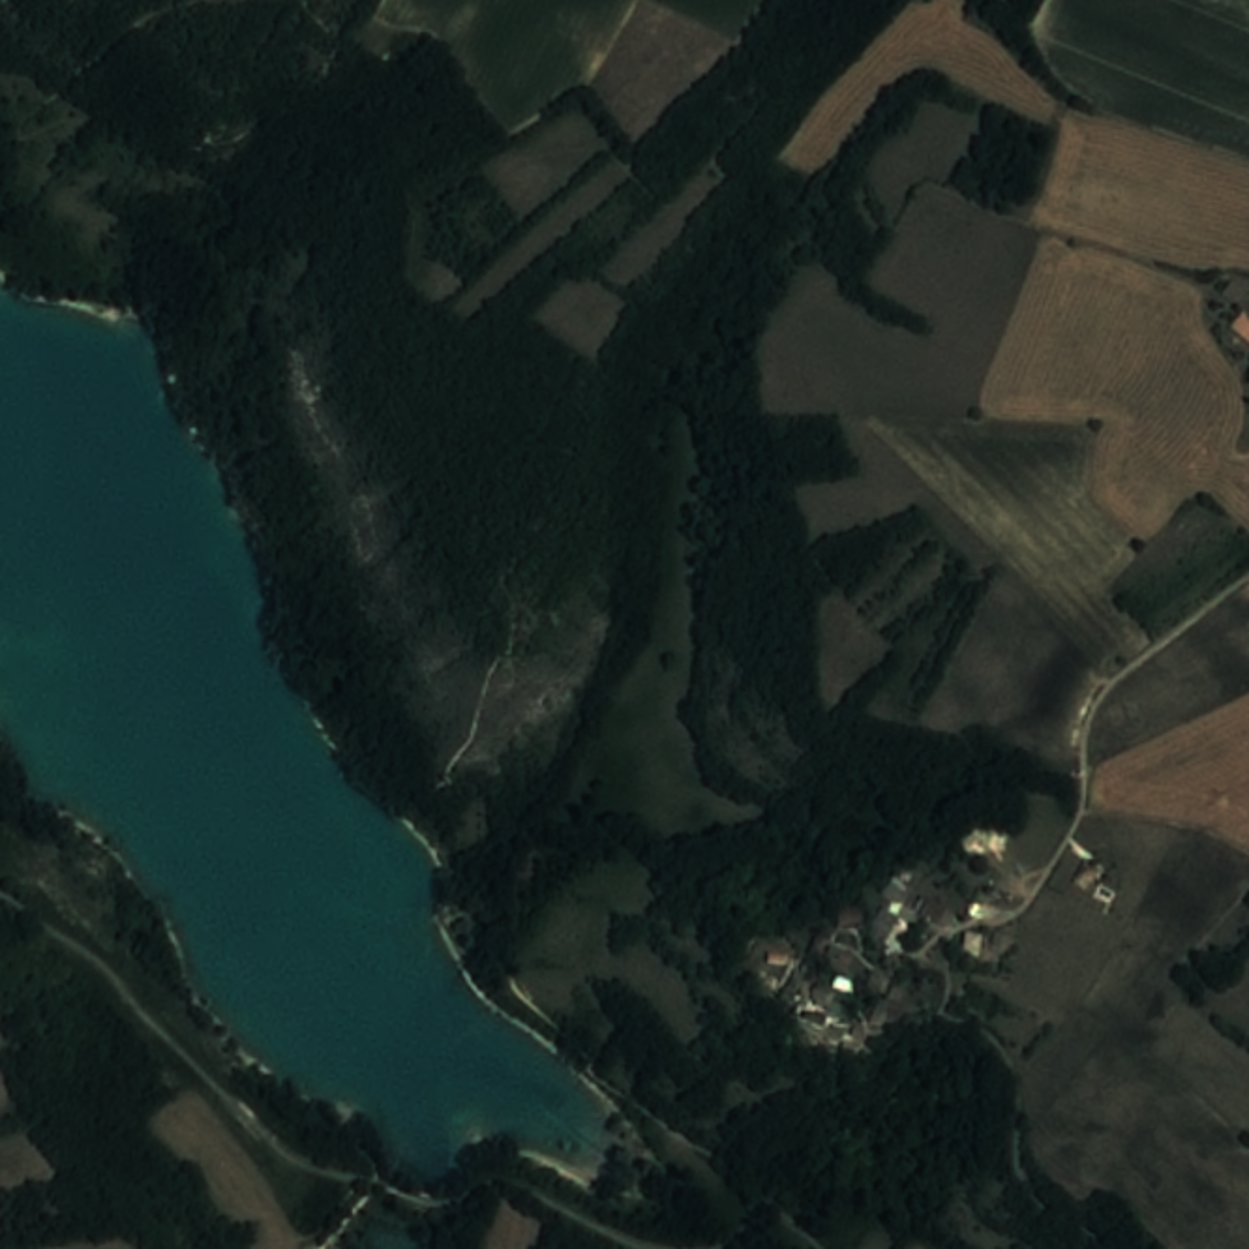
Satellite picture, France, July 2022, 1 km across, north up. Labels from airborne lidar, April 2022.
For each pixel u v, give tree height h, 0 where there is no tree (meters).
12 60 16
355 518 0
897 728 10
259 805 0
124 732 0
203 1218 14
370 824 0
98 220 0
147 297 32
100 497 0
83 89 18
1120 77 0
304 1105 8
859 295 14
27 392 0
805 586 15
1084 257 0
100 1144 22
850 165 11
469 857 16
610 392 15
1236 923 0
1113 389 0
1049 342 0
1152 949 0
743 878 16
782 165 9
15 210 13
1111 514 0
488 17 0
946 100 5
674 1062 12
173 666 0
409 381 11
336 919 0
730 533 22
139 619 0
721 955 16
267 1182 0
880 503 0
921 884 0
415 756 16
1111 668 0
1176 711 0
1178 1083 0
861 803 8
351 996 0
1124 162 0
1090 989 0
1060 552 0
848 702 12
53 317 0
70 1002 16
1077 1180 0
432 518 12
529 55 0
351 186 13
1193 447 0
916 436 0
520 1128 0
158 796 0
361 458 0
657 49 0
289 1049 0
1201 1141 0
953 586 6
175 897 0
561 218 0
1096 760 0
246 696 0
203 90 7
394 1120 0
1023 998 0
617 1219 13
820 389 0
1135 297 0
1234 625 0
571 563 13
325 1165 8
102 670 0
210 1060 0
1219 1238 0
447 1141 0
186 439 0
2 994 6
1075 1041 0
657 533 19
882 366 0
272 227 17
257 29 11
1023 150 17
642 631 21
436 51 20
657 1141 0
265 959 0
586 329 0
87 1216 11
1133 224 0
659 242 0
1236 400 0
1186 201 0
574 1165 0
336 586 13
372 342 12
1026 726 0
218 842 0
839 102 0
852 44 16
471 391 12
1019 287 0
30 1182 11
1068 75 0
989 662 0
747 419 11
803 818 24
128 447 0
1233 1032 10
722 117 10
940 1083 16
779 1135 22
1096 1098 0
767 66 11
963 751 14
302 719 0
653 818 0
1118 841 0
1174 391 0
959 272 0
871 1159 10
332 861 0
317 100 15
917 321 12
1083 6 0
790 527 15
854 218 11
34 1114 12
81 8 9
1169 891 0
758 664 17
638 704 0
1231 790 0
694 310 17
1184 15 0
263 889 0
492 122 14
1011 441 0
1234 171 0
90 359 0
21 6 12
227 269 14
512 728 0
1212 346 0
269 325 9
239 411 16
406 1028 0
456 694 0
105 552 0
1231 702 0
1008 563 0
